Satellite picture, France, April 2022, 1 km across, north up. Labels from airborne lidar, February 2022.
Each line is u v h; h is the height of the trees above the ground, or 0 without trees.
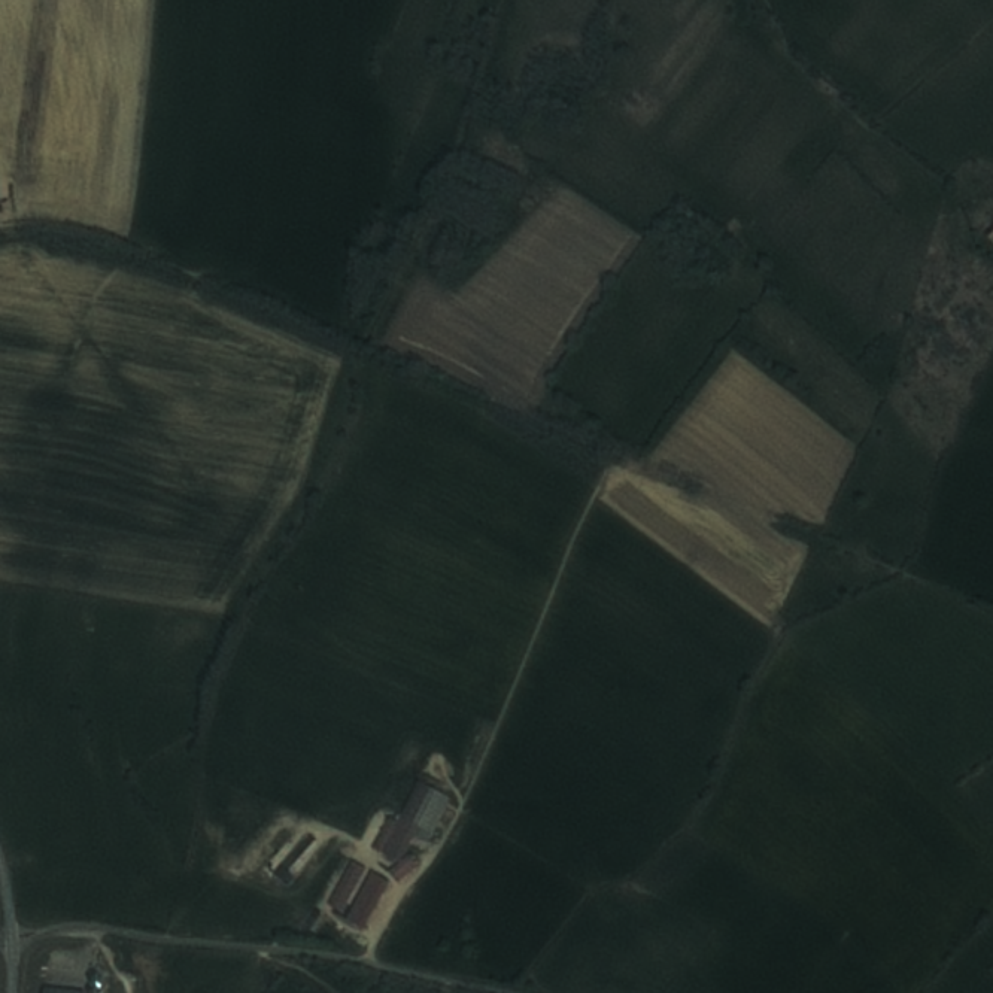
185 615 0
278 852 0
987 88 0
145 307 0
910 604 0
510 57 0
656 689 0
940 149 0
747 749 0
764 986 0
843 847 0
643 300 0
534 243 0
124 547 0
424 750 0
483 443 0
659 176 0
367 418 0
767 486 0
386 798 0
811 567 0
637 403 0
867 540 0
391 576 0
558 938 0
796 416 0
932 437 0
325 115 0
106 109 0
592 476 13
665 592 0
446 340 0
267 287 0
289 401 0
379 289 14
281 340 0
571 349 13
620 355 0
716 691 0
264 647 0
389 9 0
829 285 0
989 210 0
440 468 0
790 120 0
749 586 0
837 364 0
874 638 0
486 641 0
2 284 0
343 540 0
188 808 0
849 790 0
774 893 0
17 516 0
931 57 0
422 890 0
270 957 0
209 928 0
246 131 0
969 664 0
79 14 0
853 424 0
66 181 0
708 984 0
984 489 0
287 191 0
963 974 0
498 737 0
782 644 0
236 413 0
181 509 0
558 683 0
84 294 0
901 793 0
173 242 0
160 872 0
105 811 0
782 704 0
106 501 0
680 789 0
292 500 0
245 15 0
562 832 0
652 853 0
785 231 0
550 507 0
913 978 0
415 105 0
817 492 0
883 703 0
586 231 0
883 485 0
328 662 0
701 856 0
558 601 0
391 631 0
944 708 0
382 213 10
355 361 18
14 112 0
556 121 16
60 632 0
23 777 0
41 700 0
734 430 0
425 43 0
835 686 0
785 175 0
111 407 0
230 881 0
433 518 0
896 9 0
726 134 0
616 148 0
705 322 0
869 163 0
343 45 0
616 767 0
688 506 0
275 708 0
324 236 0
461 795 0
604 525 0
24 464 0
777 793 0
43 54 0
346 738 0
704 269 14
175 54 0
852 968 0
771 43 0
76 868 0
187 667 0
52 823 0
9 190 0
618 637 0
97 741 0
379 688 0
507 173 20
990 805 0
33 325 0
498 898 0
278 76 0
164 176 0
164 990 0
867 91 0
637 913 0
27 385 0
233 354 0
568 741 0
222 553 0
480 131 0
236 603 0
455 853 0
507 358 0
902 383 0
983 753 0
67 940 0
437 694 0
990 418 0
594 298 0
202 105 0
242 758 0
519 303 0
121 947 0
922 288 0
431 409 0
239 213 0
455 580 0
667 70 0
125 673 0
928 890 0
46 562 0
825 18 0
